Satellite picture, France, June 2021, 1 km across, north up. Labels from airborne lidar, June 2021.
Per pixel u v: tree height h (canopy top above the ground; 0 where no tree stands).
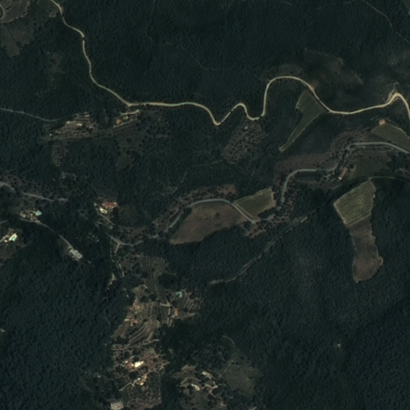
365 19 11
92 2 11
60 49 7
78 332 21
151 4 12
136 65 11
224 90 11
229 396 13
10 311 15
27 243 22
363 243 0
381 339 13
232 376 0
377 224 14
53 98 7
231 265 15
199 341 9
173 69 12
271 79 8
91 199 14
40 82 7
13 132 10
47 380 17
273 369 12
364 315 12
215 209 0
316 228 12
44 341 17
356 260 0
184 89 14
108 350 16
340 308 10
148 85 14
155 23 13
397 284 15
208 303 15
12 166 13
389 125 0
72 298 17
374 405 13
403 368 9
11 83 10
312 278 7
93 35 11
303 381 12
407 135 9
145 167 14
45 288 16
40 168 14
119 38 15
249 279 11
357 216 0
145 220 9
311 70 7
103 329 16
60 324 16
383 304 11
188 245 7
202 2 11
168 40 11
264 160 10
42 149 19
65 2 9
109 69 10
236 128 9
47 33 16
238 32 13
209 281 13
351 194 0
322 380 19
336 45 14
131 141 8
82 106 16
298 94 8
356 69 11
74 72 7
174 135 7
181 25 8
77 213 21
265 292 12
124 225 13
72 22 11
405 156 9
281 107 7
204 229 0
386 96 0
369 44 15
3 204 16
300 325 12
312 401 19
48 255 8
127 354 14
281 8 14
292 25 9
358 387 12
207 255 11
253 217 0
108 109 14
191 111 9
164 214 9
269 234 15
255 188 8
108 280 11
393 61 0
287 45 12
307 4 11
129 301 14
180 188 11
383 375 14
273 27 12
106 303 12
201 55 14
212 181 5
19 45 7
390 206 10
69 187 12
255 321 17
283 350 16
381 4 7
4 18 0
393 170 10
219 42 12
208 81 9
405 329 11
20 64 9
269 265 16
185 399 6
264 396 9
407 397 12
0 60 10
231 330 9
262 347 8
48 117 11
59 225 17
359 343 11
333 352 14
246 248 15
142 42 14
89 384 5
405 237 11
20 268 23
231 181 8
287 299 11
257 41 12
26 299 19
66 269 11
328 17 13
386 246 8
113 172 11
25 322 20
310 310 14
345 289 10
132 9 12
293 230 13
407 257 14
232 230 12
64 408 14
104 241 12
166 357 14
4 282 21
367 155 0
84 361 13
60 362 15
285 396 10
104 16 10
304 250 9
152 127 14
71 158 11
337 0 13
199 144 10
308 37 12
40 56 5
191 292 7
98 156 9
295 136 0
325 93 0
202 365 6
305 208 12
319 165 9
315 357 22
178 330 16
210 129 9
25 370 16
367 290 9
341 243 14
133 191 8
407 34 15
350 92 7
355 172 0
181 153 13
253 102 11
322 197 9
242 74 12
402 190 15
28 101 7
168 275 10
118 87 11
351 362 7
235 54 13
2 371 11
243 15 10
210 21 10
